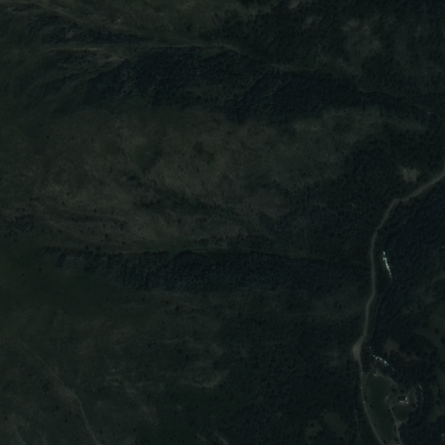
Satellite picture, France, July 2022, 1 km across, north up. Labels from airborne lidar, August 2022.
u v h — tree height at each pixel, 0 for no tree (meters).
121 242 0
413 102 15
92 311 0
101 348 0
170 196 13
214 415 7
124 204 0
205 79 13
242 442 11
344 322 15
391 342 0
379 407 0
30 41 0
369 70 11
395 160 6
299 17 6
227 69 10
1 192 0
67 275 0
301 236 9
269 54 22
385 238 7
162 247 0
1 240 0
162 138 0
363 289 11
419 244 24
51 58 0
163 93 20
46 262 0
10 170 0
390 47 23
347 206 22
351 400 11
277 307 9
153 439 7
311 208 7
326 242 9
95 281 0
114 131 0
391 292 15
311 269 20
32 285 0
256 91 15
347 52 9
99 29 0
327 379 16
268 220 17
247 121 0
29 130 0
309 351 6
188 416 8
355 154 8
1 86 0
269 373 7
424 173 6
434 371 17
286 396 12
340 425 0
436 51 10
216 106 8
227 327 9
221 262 11
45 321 0
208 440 5
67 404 0
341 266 8
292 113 17
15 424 0
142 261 10
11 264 0
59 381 0
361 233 13
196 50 15
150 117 0
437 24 7
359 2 17
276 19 15
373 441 14
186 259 20
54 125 0
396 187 16
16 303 0
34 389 0
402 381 16
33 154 0
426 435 10
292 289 23
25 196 0
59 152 0
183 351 15
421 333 0
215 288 7
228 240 8
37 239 0
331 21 14
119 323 0
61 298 0
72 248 0
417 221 33
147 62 11
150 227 0
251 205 6
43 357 0
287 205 7
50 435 0
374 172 18
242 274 26
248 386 9
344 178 8
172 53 10
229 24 21
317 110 14
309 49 9
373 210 19
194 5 0
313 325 16
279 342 6
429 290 8
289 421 8
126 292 0
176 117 0
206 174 0
